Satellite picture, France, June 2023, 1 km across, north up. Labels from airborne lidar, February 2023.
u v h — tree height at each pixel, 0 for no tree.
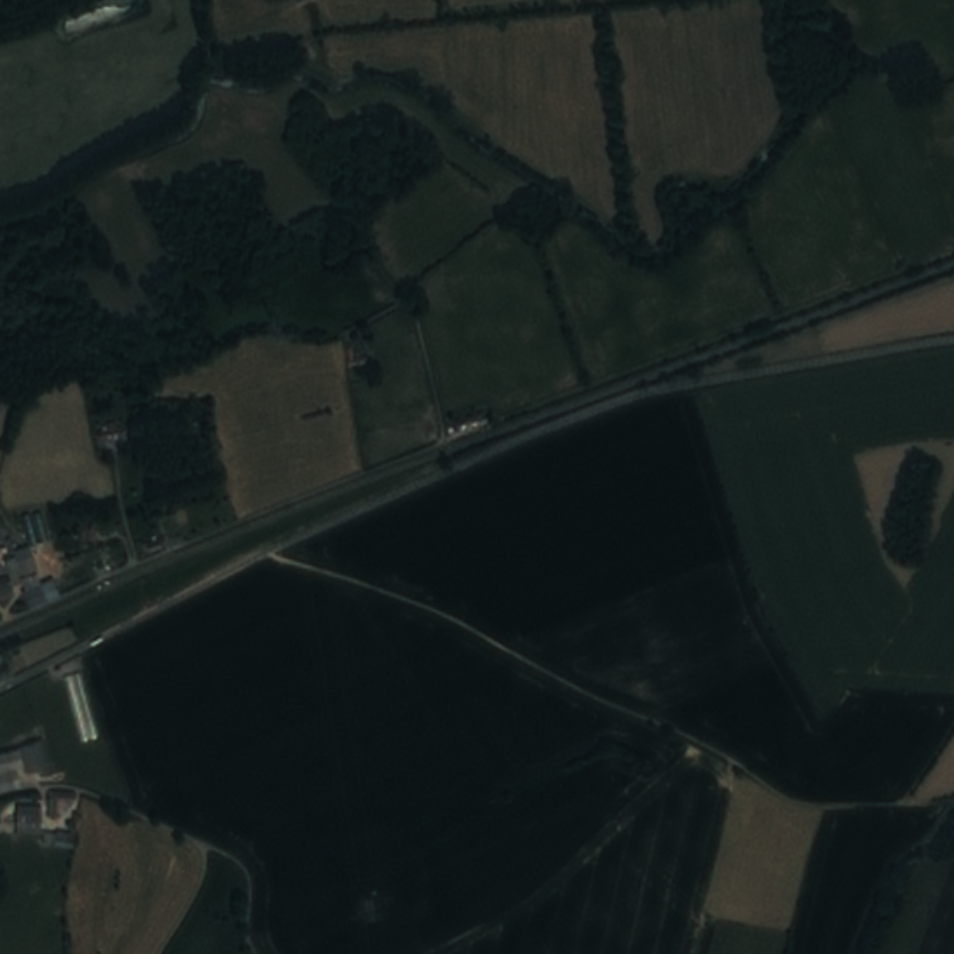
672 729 12
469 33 0
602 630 0
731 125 0
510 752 0
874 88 0
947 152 0
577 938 0
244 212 12
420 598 0
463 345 0
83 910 0
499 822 0
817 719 0
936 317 0
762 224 0
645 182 0
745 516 0
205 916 0
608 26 18
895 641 0
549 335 0
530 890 0
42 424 0
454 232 0
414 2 0
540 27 0
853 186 0
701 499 0
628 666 0
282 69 30
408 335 0
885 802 0
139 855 0
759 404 0
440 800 0
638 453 0
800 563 0
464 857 0
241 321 0
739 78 0
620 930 0
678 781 0
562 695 0
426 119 0
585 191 0
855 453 0
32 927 0
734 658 0
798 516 0
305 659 0
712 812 0
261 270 10
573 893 0
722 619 0
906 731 0
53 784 0
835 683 0
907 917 0
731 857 0
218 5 0
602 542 0
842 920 0
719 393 0
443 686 0
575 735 0
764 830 0
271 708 0
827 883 0
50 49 0
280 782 0
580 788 0
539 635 0
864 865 0
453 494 0
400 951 0
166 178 0
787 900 0
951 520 0
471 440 0
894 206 0
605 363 0
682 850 0
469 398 0
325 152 10
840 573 0
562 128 0
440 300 0
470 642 0
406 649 0
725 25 0
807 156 0
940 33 0
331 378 0
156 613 0
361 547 0
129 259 0
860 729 0
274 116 0
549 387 0
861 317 0
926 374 0
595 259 0
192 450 31
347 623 0
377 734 0
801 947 0
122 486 0
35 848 0
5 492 0
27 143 0
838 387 0
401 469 0
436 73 0
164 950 0
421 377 0
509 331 0
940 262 8
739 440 0
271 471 0
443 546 0
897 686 0
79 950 0
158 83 0
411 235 0
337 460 0
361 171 26
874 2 0
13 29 17
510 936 0
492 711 0
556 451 0
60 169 0
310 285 0
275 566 0
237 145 0
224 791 0
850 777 0
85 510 17
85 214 25
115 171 0
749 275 0
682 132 0
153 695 0
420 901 0
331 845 0
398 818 0
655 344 0
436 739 0
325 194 8
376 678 0
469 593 0
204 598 0
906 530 25
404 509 0
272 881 0
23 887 0
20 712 0
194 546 0
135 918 0
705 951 0
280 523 0
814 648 0
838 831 0
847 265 0
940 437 0
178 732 0
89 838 0
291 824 0
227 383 0
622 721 0
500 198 0
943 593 0
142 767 0
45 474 0
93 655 0
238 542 0
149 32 0
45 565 0
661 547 0
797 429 0
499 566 0
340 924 0
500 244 0
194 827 0
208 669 0
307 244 10
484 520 0
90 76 0
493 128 0
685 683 0
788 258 0
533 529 0
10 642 12
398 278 0
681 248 17
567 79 0
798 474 0
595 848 0
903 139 0
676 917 0
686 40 0
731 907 0
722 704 0
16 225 11
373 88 0
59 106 0
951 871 0
